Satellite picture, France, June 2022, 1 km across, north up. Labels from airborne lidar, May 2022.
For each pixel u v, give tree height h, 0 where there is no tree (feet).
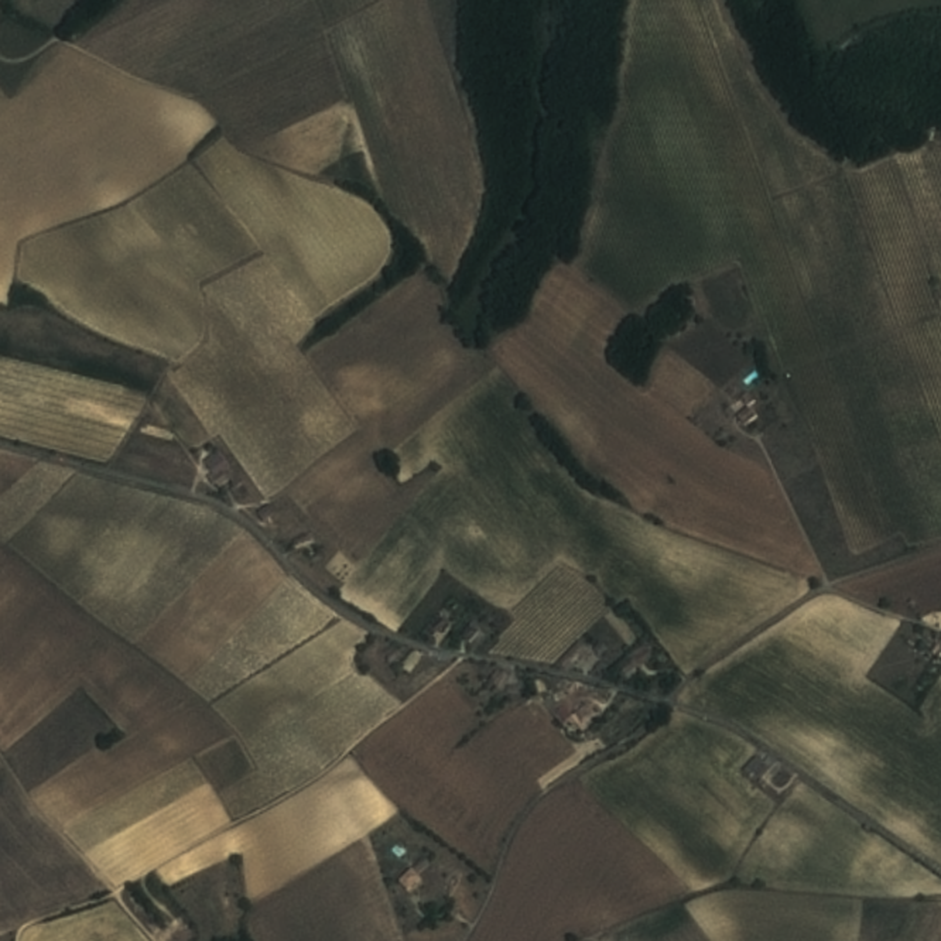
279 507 0
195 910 0
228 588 0
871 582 0
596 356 0
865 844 0
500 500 0
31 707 0
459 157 0
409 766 0
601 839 0
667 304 55
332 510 0
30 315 0
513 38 73
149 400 0
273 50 0
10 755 0
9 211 0
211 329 0
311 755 0
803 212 0
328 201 0
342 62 0
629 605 34
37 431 0
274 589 0
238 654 0
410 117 0
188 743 0
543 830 0
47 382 0
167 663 0
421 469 0
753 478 0
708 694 0
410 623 0
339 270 0
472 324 0
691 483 0
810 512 0
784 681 0
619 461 0
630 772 0
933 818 0
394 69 0
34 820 0
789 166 0
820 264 0
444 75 0
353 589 0
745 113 0
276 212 0
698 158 0
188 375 0
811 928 0
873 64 31
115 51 0
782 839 0
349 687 0
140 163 0
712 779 0
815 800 0
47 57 0
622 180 0
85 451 0
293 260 0
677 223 0
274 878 0
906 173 0
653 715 38
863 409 0
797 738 0
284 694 0
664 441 0
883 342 0
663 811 0
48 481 0
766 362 43
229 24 0
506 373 0
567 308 0
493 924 0
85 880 0
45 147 0
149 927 0
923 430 0
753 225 0
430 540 0
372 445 0
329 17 0
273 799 0
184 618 0
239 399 0
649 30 0
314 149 0
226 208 0
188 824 0
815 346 0
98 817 0
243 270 0
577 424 0
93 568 0
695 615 0
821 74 41
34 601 0
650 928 0
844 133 45
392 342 0
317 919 0
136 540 0
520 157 57
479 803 0
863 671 0
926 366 0
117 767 0
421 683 0
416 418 0
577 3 34
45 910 0
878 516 0
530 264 52
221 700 0
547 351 0
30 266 0
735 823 0
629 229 0
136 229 0
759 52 43
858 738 0
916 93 28
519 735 0
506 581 0
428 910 32
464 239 0
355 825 0
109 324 0
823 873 0
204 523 0
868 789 0
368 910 0
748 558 0
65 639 0
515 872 0
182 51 0
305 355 0
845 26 0
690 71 0
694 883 0
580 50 35
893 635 0
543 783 0
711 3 0
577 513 0
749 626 0
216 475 0
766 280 0
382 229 0
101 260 0
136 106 0
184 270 0
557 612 0
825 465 0
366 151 0
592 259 0
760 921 0
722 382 0
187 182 0
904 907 0
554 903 0
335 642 0
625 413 0
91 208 0
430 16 0
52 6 0
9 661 0
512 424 0
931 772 0
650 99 0
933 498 0
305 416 0
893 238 0
